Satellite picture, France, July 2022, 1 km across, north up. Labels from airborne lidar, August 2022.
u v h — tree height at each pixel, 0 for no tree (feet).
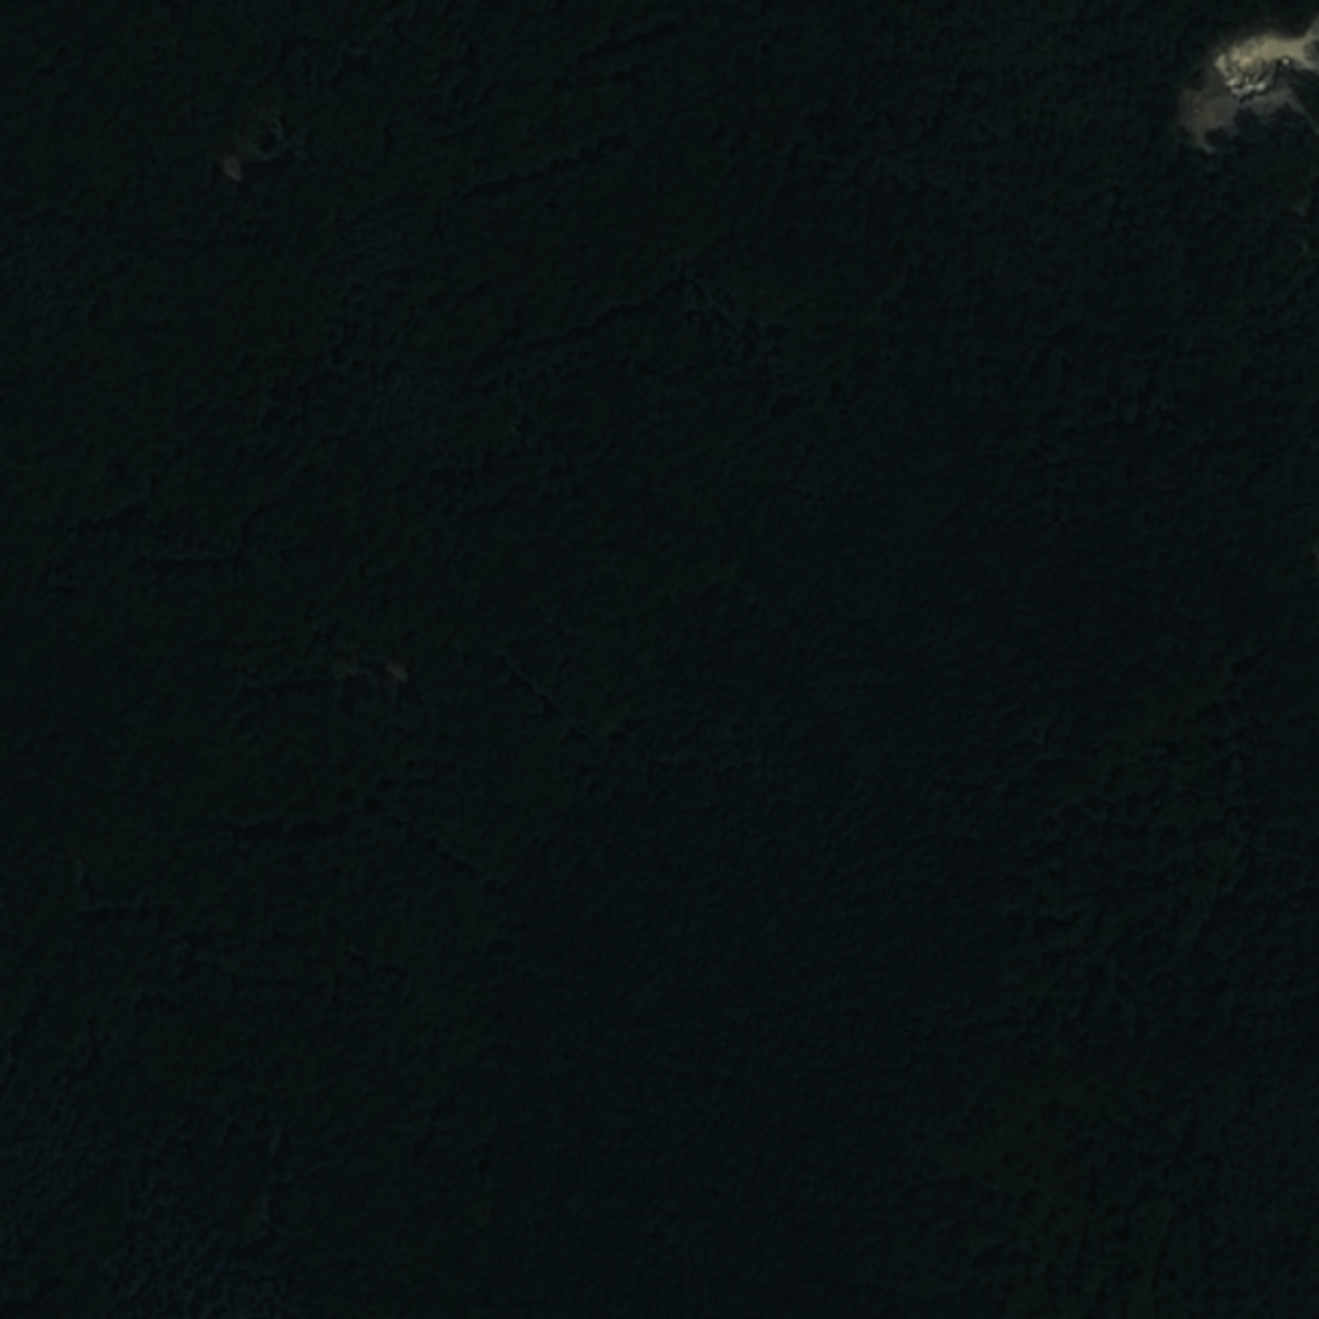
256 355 61
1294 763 66
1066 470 87
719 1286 72
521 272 85
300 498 82
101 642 88
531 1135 72
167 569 77
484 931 77
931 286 76
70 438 85
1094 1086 55
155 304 79
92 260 69
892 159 73
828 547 72
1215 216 73
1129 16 63
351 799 77
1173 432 96
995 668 70
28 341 79
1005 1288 73
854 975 54
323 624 32
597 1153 67
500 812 79
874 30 77
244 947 81
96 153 76
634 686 73
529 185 85
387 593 77
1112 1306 83
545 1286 68
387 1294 96
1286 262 32
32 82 76
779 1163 53
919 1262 26
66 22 82
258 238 80
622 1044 68
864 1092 28
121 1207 90
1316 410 43
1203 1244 52
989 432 72
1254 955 96
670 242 68
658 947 71
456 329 83
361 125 80
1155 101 53
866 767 65
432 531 74
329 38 80
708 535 85
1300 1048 73
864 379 74
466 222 86
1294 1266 70
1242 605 85
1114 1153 81
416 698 86
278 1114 85
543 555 81
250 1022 68
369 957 63
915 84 55
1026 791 74
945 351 77
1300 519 64
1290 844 81
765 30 79
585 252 83
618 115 86
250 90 86
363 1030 83
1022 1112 30
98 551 85
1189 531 82
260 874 93
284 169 60
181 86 69
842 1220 50
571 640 90
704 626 79
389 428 84
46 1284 83
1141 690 64
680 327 84
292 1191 93
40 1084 42
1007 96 58
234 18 85
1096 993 72
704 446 86
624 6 79
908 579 68
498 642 77
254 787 88
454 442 52
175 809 88
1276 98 0
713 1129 71
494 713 89
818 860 60
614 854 74
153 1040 91
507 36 88
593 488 91
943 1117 27
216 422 84
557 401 83
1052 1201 30
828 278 83
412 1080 75
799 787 59
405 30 76
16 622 84
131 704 87
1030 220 66
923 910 61
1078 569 81
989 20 43
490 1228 73
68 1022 85
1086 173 76
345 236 73
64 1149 43
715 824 67
